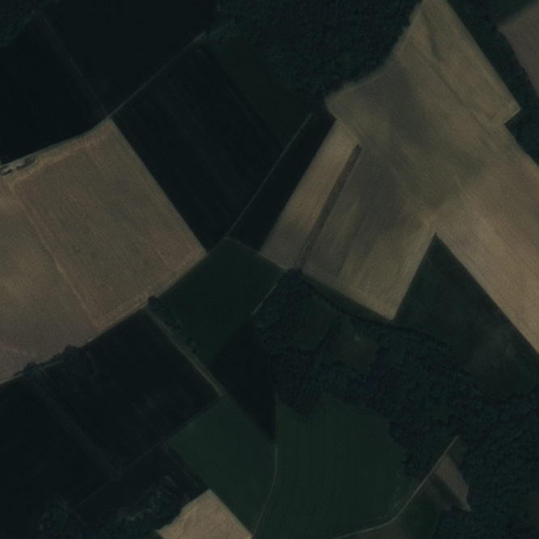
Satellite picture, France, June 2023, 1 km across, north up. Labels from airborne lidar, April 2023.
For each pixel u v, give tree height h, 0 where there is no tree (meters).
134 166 0
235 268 0
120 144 0
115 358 0
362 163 0
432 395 10
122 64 0
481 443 25
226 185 0
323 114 0
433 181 0
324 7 18
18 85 0
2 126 0
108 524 18
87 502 0
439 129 0
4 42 14
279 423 0
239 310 0
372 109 0
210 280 0
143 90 0
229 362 0
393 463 0
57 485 0
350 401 19
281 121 0
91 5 0
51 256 0
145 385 0
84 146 0
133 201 0
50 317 0
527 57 0
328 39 31
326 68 38
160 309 18
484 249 0
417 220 0
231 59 0
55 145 0
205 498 0
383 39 19
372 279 0
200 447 0
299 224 0
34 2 21
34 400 0
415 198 0
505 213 0
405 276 0
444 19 0
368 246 0
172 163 0
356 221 0
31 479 0
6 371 0
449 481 0
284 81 26
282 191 0
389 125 0
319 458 0
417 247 0
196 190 0
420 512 0
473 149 0
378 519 0
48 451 0
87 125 0
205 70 0
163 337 0
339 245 0
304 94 28
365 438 0
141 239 0
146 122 0
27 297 0
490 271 0
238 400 0
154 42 0
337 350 0
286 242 0
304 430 0
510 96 0
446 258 0
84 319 0
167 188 0
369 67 19
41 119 0
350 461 0
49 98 0
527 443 32
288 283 20
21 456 0
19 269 0
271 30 35
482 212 0
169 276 0
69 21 0
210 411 0
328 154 0
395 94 0
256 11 27
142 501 0
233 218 0
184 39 0
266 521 0
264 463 0
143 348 0
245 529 0
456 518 21
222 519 0
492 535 24
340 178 0
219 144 0
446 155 0
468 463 14
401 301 0
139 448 0
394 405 23
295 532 0
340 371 30
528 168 0
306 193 0
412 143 0
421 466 16
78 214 0
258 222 0
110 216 0
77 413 0
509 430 29
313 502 0
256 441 0
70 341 0
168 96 0
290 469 0
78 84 0
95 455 22
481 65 0
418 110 0
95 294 0
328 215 0
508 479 20
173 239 0
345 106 0
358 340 0
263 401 0
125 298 0
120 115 0
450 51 0
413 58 0
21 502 0
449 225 0
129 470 0
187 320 0
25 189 0
